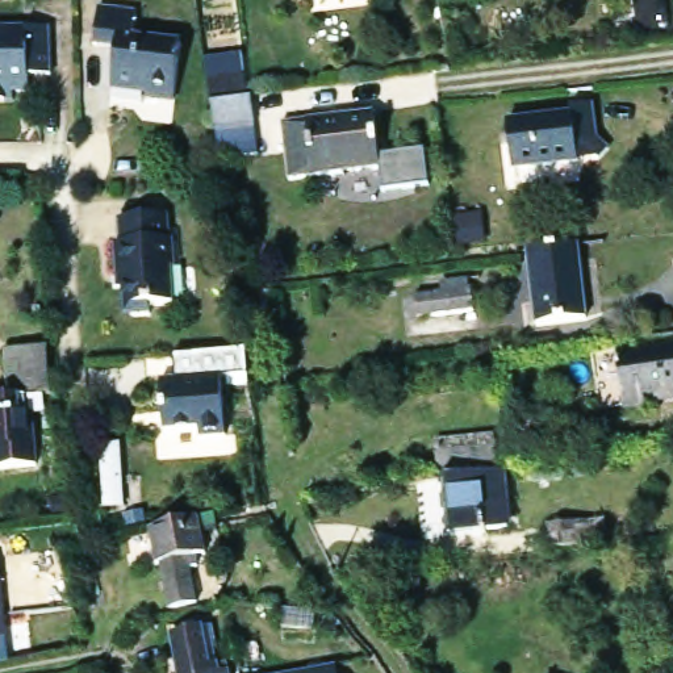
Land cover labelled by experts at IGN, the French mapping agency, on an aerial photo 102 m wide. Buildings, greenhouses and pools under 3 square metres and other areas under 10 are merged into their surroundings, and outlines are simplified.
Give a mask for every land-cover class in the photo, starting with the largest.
<instances>
[{"label":"herbaceous vegetation","instance_id":"1","mask_svg":"<svg viewBox=\"0 0 673 673\"><path fill-rule=\"evenodd\" d=\"M53 0H0V11L45 13ZM208 0H145V16L187 21L192 26L184 81L174 92V97L171 124L142 121L129 108L110 110L108 176L142 174L134 155L142 142L158 137L166 139L181 158L184 179L205 181V168L210 166L247 171V179H252L268 200L266 239L258 250L276 252L287 266H294L297 239L318 242L329 239L334 231L342 229L355 237V244L363 255H371V244L397 239L405 226L423 223L439 197L444 200L447 210L457 208V200L489 208V237L473 244L471 250V255H489L494 250H515L518 244L513 239L515 226L510 221L507 208L515 189L505 184L499 155V139L507 134L505 126H499L494 118L468 124L455 137V142L465 150L463 176H450L444 163L434 166L426 176V187H418L410 195L392 197L384 202L339 200L323 192V200L318 205H294L292 189L305 179L302 174L287 171V160L281 152L268 155L266 147L260 152L244 155L237 145L216 137L210 110L213 97L208 95L202 63V50L208 45ZM242 26L239 45L244 47L250 60V81L268 76L305 79L308 68L318 63L329 66L334 60L337 42L350 34L352 26L360 24L363 8L315 13L313 0H237ZM476 13L486 26H502L507 21L521 18L523 11L515 0H481L476 5ZM634 5L631 0H586L584 16L576 21L578 32L592 29L605 16L615 18L628 16V8ZM384 21L392 26V32L400 39H413L415 32L410 18L402 11H386ZM342 84H352L355 89L360 84L379 87L381 79L373 71L347 68L339 74ZM660 89L634 92L628 100L602 97V121L605 129L613 134V142L605 147L607 155L597 163L584 166L578 179L568 181V189L581 200V208L594 216L589 231V276L594 297L592 308L613 310V302L618 297L657 281L673 260V223H668V218L662 216V205L657 200L641 208H620L618 202H610L605 197V181L623 163L628 150L636 147L639 137L657 134L662 129L673 131V100L660 105ZM47 126H32L24 118L21 105L13 100L0 103V145L45 142ZM418 116L426 121L429 134L439 131L436 108L431 103L394 108L392 121L376 131V147L389 150L421 145L415 139L410 121ZM176 208V223L181 229V250L187 266L195 268L197 284L192 292H181L176 297L192 310V323L184 339L166 337L160 331L158 315L131 318L129 310L121 308L118 289L103 281L97 247L79 244V292L74 294V300L79 302V318L74 326L81 337L76 350L66 352L60 347L50 344L42 334H32L37 323H29L26 313H18L16 308V294L24 289V284L34 281V268L29 247H21L18 273L11 268V244L18 237H26L32 223L42 216V213L32 202H24L18 208H8L5 213H0V350L13 344H45L47 373H68L76 381L81 365L113 371L129 365L131 360L163 358L176 350L229 344L221 337L223 313L218 310V294L223 287H229L247 305L260 310L273 326V331L287 339V358L292 363L302 360V368H339L352 355L376 350L386 339L423 344L426 350L455 347L452 339H447V334L407 337V329L402 305L410 297L423 300L415 289L421 281H413L410 276L397 279L392 284V292L381 300L379 310L352 308L344 297H334L329 313H321V308L313 305L310 294L302 289H294L289 297L273 300L266 294L263 287L250 284L244 276L231 273L229 279H223L218 273V244L213 239L210 223L205 218H195L187 192L174 189L168 197ZM499 329L523 326L518 308L513 313L502 310L499 321H486L484 315H478L476 329L471 331L489 334ZM673 360V337L644 339L639 344H623L618 350V365ZM552 376L563 379L570 386V392L578 386L584 392H597L594 379L581 384L573 373V365H549ZM486 392L455 386H442L431 394H410L389 415L373 410L371 397H352L344 402L337 400L323 405L313 402L308 413V439H300L294 434V413H287L279 397L271 394L268 400H263L268 492L273 486L279 489V510L255 515L268 521L271 531L292 555V565L284 568L279 563L276 549L268 544V539L244 542V534L239 531H229L221 536L218 549L229 552V557L237 560V568L226 576H216L221 586L244 584L250 589H284L287 584H294L302 570L318 584L321 597L326 602L342 607L350 602V597L331 581V573L342 565H358L360 542H337L331 547H323L315 534V523H344L373 531V526L381 521H421V499L415 484L405 497L376 492L352 507H344L329 489H342L347 484V476L358 468L386 471L392 465V455L402 450H407L410 457L423 463H431L434 457L429 447L439 434L455 436L481 431V426H494L499 421V410L486 405ZM37 471L0 468V489L11 492L16 502H29L39 515H53L60 510L63 505L55 494V486L66 478V473L55 457L53 436L42 442V455L37 460ZM208 457L160 460L155 439L129 444L121 450V473L139 478L142 518L137 523L142 534H145L168 513L181 521H189L197 507L187 502V497L168 499V494L176 473L181 476L197 471ZM505 468L513 473L518 484V513L513 518H505L502 523L507 534H521L523 528L536 531L549 513H557L560 521H581L599 515L602 523L597 526V534L610 542L615 536V523L628 515V502L639 492L644 478L655 471L668 473V505L657 518V528L662 536L652 539L655 549L665 552V576H655L649 581L655 584L660 607L665 610L668 644H673V457L668 450H662L655 460L644 457L639 463H631L628 473L602 468L599 473L573 471L544 476L536 473L521 457H507ZM55 531L50 526H21L13 536L24 539L29 552L53 549L50 539ZM139 602H155L166 610L158 615V623L139 634L134 647L113 652V631L121 626L124 615ZM171 599L163 592L160 568L152 565V560L145 552L134 563L126 555L100 573V589L92 605L95 631L89 647L66 649V636L74 628L71 610L53 615H32L29 647L18 649L16 657L0 660V673H126L129 668H134L137 657H145V647L166 644L171 626L184 615L181 607H168ZM510 576L505 573L494 581V589L489 594H481L473 586V581L465 578L444 581L429 584L421 576L415 584L400 589L397 599L413 607H423L426 602H447L465 605L471 610V626H465L457 636L436 647L439 660L450 662L455 673H628L618 641L599 649L597 657L581 655L578 660H570V644L576 639H565L560 626L547 620V589L531 586L521 599H507ZM195 613H205L202 620L213 623L218 639V631L226 628V615L231 610L239 618V623L260 634V660L263 665H281L284 660L329 655L334 660L337 673H415L405 660V652L386 649L384 644L373 641V657H358V644L350 636L334 634L331 641L326 636L318 639L313 626L305 631H292L281 626L271 628L266 605H252L237 597L218 594L192 607Z\"/></svg>","mask_w":673,"mask_h":673},{"label":"brushwood","instance_id":"2","mask_svg":"<svg viewBox=\"0 0 673 673\"><path fill-rule=\"evenodd\" d=\"M74 60V126L68 134L74 145H84L92 134V121L84 105V84H92L87 71L89 55H84L81 50V34L84 0H68ZM481 0H368V8H363L360 24L352 26L350 34L337 42L334 60L329 66L318 63L308 68L305 79L268 76L250 81L252 92L284 97L287 89L313 84H342L339 74L347 68L373 71L381 79L431 71L436 66H450L455 71H465L476 63L489 60H526L528 66H534L563 55L568 60H589L673 47V34H634L628 21L615 24V18L605 16L592 29L578 32L576 21L584 16L586 0H515L523 11L521 18L507 21L502 26H486L476 13V5ZM386 11H402L410 18L415 32L413 39H400L392 32V26L384 21ZM660 89V105L673 100V68L597 76L592 81V92L602 97L628 100L634 92ZM570 95L565 81H547L436 95V100L431 103L436 108L439 131L429 134L426 121L418 116L410 121L415 139L421 145L426 158V176L434 166L444 163L450 176H463L465 150L455 142V137L468 124L494 118L499 126H505V118L518 103L557 100ZM13 100L21 105L24 118L32 126H50V103L37 89L26 87ZM58 192L53 189V184L42 179V174H37L34 168H26L24 163L0 160V213H5L8 208H18L24 202H32L42 213L45 205L55 202ZM155 192L142 174L108 176L100 179L92 168H81L71 181V195L81 202H89L100 195L118 197L124 202L129 197ZM323 200V192H318L315 181L310 179H305L292 189L294 205H318ZM526 244H518L515 250H494L489 255H471V250L455 244L452 229L447 223V210L444 200L439 197L423 223L405 226L397 239L371 244V255H363L355 244V237L342 229L334 231L329 239L318 242L297 239L294 266H287L276 252L258 250L247 255L244 276L250 284L263 287L266 294L273 300L289 297L294 289H302L310 294L313 305L321 308V313H329L334 297H344L352 308L379 310L381 300L392 292V284L397 279L410 276L413 281H434L444 273H463L471 287V308L478 315H484L486 321H499L502 310L513 313L518 308L521 260ZM21 247H29L34 268V281L24 284V289L16 294V308L18 313H26L29 323H37L32 334H42L50 344L60 347V337L68 331L66 318L60 313H39V300L58 297L60 268V250L55 247V234L42 216L32 223L26 237H18L11 244V268L18 273ZM158 315L160 331L166 337L184 339L192 323V310L176 297L168 305H163ZM620 329L613 331L607 339H584L578 329L563 331L557 326H523L499 329L489 334L471 331L447 334V339H452L455 347L426 350L423 344L386 339L376 350L352 355L339 368H302V360L292 363L287 358L284 384L289 386L292 402L284 407L287 413H294V434L300 439H308V413L313 402L323 405L337 400L344 402L352 397H371L373 410L389 415L410 394H431L442 386H455L486 392V405L499 410V402L510 389L528 407V415L552 407L555 413L576 415L584 423L613 431L618 439L647 436L660 431L665 434L662 450H668L673 457V402L655 397L652 402L641 400V405L620 407L615 402L602 400V394L597 392H584L578 386L570 392V386L563 379L552 376L549 365H573L589 363V358L597 350H618L623 344H639L644 339L673 337V310L623 313ZM155 394H160V381L155 376L142 379L126 394H121L110 379L92 376L84 386L76 381L68 373H47V389L42 392L45 400L66 397L74 405H89V400L95 397L108 410H118L124 421L113 426V442H118L121 450L129 444L155 439L158 431L145 423H134V413H160V400H155ZM239 402L234 405V421L226 431L234 434L237 452L208 457L197 471L181 476L176 473L168 494V499L187 497V502L197 507H208L216 513V531L221 536L229 531H239L244 534V542L268 539V544L276 549L279 563L284 568L292 565V555L271 531L268 521L255 515L244 526H231L229 515L239 513L244 505L268 502V492L263 400H268L271 394L273 389L268 381H247L237 386ZM447 471V463H436L434 457L431 463H423L410 457L407 450H402L392 455V465L386 471L358 468L347 476V484L342 489H329L344 507H352L376 492L405 497L415 484L421 478H439ZM668 473L655 471L644 478L639 492L628 502V515L615 523V536L610 542L597 534L573 542L570 547H560L555 544L547 528L549 521H560L557 513H549L536 531L534 536H526L531 552L515 549L494 555L473 549L471 542H463L455 549V565L444 581L465 578L473 581V586L481 594H489L494 589V581L505 573L510 576L507 599H521L531 586L547 589L568 573L584 570H602L605 581L618 592L647 589L649 581L655 576H665V552L655 549L652 539L662 536L657 528V518L668 505ZM21 526H50L55 531H71L76 526L60 510L53 515H39L29 502H16L11 492L0 489V539L13 536ZM208 570L216 576H226L237 568V560L229 557V552L218 549H205ZM218 594L237 597L252 605H266L271 628L281 626L284 607L310 610L313 626L318 639L326 636L331 641L334 634L350 636L358 644V657H373V641L355 623L358 615L350 602L342 607L326 602L321 597L318 584L302 570L294 584H287L284 589H250L244 584L221 586ZM166 610L155 602H139L124 615L121 626L113 631V652L134 647L139 634L158 623V615ZM218 649L226 660L242 662L247 655L252 660H260V634L239 623V618L231 610L226 615V628L218 631ZM166 644L145 647V657H137L134 668H129L126 673H166Z\"/></svg>","mask_w":673,"mask_h":673},{"label":"building","instance_id":"3","mask_svg":"<svg viewBox=\"0 0 673 673\"><path fill-rule=\"evenodd\" d=\"M145 0H84L81 34L97 32V39L110 42L113 87L139 89L147 97H174V92L184 81L192 26L187 21L145 16ZM634 5L628 8V16L615 18V24L628 21L634 34H673V0H631ZM58 66L55 18L45 13L0 11V103L13 100L26 87V76H50V68ZM202 63L208 95L213 97L210 110L216 137L237 145L244 155L260 152L266 147L260 126L252 124V105L247 95L252 92L250 81V60L244 47L239 45H208L202 50ZM394 108L392 103L381 100L379 87L360 84L355 89L352 103L287 113L281 152L287 160V171L302 174L305 179H310L329 176V168L339 166H350V174H371L373 184L379 187L394 181H413L415 187L426 179V158L421 145L389 150L376 147V131L392 121ZM507 134L513 163H536L539 158H568L576 152L584 155L605 147L613 142V134L605 129L602 121V97L592 92L570 95L557 100L518 103L505 118V126ZM187 266L181 250V229L176 223V208L168 197L155 192L129 197L124 202V210L118 216V234L113 239V271L121 281L118 289L121 308L129 310L131 297L139 289H150L155 294L168 297L174 289L171 268ZM447 223L452 229L455 244L471 250L473 244L489 237V208L457 200V208L447 210ZM521 260H528L531 266V302L536 315H547L555 308L570 313H586L592 308L594 297L589 276V231L560 237L547 234L544 239H534L526 244ZM415 289L423 300L410 297L402 305L407 329L413 323H426L434 310L471 308V287L463 273H444L434 281H421ZM47 389V373L45 344H13L0 350V455L37 460L42 455V415L32 407L29 392H42ZM620 397L615 402L620 407L641 405V400L652 402L655 397L673 402V360L618 365ZM160 381V394H155V400H160V413L168 423H197L205 434L226 431L234 421V405L239 402L237 386L221 371L155 376ZM103 505L116 507L126 523H137L142 518L139 478L121 473V450L118 442H113L105 447L100 460ZM442 510L450 526L460 528L476 523H502L505 518H513L518 513V484L513 473L505 468L492 460L450 457L447 463V471L439 478ZM150 539V549L145 552L152 560V565L160 568L163 592L171 599L200 594V573L208 570L205 549H218L221 536L216 531V513L208 507H197L189 521H181L168 513L145 534ZM602 523L599 515L581 521H549L547 528L555 544L560 547H570L573 542L597 534V526ZM8 581L0 552V660L16 657L18 649L13 647L11 636ZM184 615L171 626L166 644V673H337L334 660L329 655L284 660L281 665H263L260 660H252L247 655L242 662L226 660L218 649V639L213 623L202 620L205 613H195L192 607H181Z\"/></svg>","mask_w":673,"mask_h":673},{"label":"deciduous trees","instance_id":"4","mask_svg":"<svg viewBox=\"0 0 673 673\"><path fill-rule=\"evenodd\" d=\"M605 197L610 202H618L620 208H641L657 200L662 205V216L668 218V223H673V131L662 129L657 134L639 137L636 147L628 150L623 163L605 181ZM142 174L155 192L168 197L174 189L187 192L195 218H205L210 223L213 239L218 244V273L223 279H229L231 273L244 276L247 255L258 250L266 239L268 200L252 179H247V171L210 166L205 168V181L184 179L181 158L166 139L158 137L142 142L134 155ZM507 208L510 221L515 226L513 239L518 244H526L534 239H544L547 234L560 237L589 231L594 216L581 208V200L568 189L547 187L544 179L536 174L515 189ZM218 310L223 313L221 337L229 344L244 347L247 381H268L273 389L271 394L279 397L284 407L292 402L289 386L284 384L287 358V339L273 331V326L260 310L247 305L229 287H223L218 294ZM481 431L492 434L494 439L492 460L505 468L507 457H521L536 473L544 476L573 471L599 473L602 468L628 473L631 463H639L644 457L655 460L662 450L665 434L660 431L647 436L618 439L613 431L584 423L576 415L555 413L552 407L528 415V407L510 389L499 402V421L494 426H481ZM45 405L58 407V413H53L45 421L47 426H53V436L55 457L66 473V478L55 486V494L63 505L60 510L76 526L71 531H55L50 539L53 549L60 557L66 581L63 594L68 597L71 610L74 628L66 636V649L89 647L95 631L92 605L100 589V573L126 555L129 539L142 534L137 523H126L116 507L103 505L100 460L105 447L113 442V426L124 421L118 410H108L95 397L89 400V405H74L66 397L45 400ZM455 565V549H376L371 542H360L358 565H342L331 573V581L350 597V602L358 615L355 623L373 641L384 644L386 649L405 652V660L415 673H455L450 662L439 660L436 647L457 636L465 626H471V610L465 605L447 602H426L423 607H413L397 599L400 589L415 584L421 576L429 584L444 581ZM547 620L560 626L565 639H576L570 644V660H578L581 655L597 657L599 649L618 641L628 673H673V644H668L665 610L660 607L655 584L649 581L647 589L618 592L605 581L602 570H584L568 573L547 589Z\"/></svg>","mask_w":673,"mask_h":673},{"label":"impervious surface","instance_id":"5","mask_svg":"<svg viewBox=\"0 0 673 673\"><path fill-rule=\"evenodd\" d=\"M208 45H239L242 26L237 0H208ZM363 8H368V0H313L315 13ZM81 50L84 55H89L87 71L92 84H84V105L92 121V134L84 145H74L68 134L58 126H47L45 142L0 145V160L24 163L26 168H34L37 174H42V179L53 184V189L58 192L55 202L45 205L42 213V216L55 234V247L60 250V268L58 297L39 300V313H60L66 318L68 331L60 337V347L66 352L76 350L81 337L74 326L79 318V302L74 300V294L79 292V244L97 247L103 281L118 289L121 281L113 271V239L118 234V216L124 210V202L118 197L100 195L89 202H81L71 195V181L81 168H92L100 179L108 176L110 110L129 108L142 121L171 124L174 97H147L139 89L113 87L110 42L97 39V32L81 34ZM381 100L392 103L394 108L431 103L436 100V79L431 71L381 79L379 87ZM355 89L352 84H313L287 89L284 97L252 92L247 95L252 105V124L260 126L266 147L268 155L281 152L287 113L352 103ZM499 155L505 184L515 189L536 174L544 179L547 187L568 189V181L578 179L584 166L597 163L607 155L605 147L584 155L576 152L568 158H539L536 163H513L507 134L499 139ZM310 179L315 181L318 192H323L339 200L384 202L392 197L410 195L418 187H426V179L415 187L413 181H394L379 187L373 184L371 174H350V166H339L329 168V176ZM518 308L523 326H557L563 331L578 329L584 339H607L613 331L620 329L623 313L673 310V260L657 281L618 297L613 302V310L592 308L586 313H570L555 308L547 315H536L531 302V266L528 260H521ZM174 289L168 297L155 294L150 289H139L131 297L129 310L131 318L158 315L163 305H168L181 292H192L197 284L195 268L187 266L171 268ZM478 315L471 308L434 310L426 323H413L407 329V337L447 334L471 331L476 329ZM221 371L237 386L247 381L244 347L229 344L176 350L163 358L131 360L129 365L113 371L81 365L76 381L84 386L92 376L110 379L121 394H126L142 379L155 376ZM589 363L594 379L597 392L602 394V400L615 402L620 397L618 365V350H597L589 358ZM32 407L42 415V442L53 436V426H47L45 421L53 413H58V407L45 405V400L42 392H29ZM134 423H145L158 431L155 439L160 460L208 457L237 452L234 434L226 431L205 434L197 423H168L160 413H134ZM434 457L436 463H447L450 457L492 460L494 439L492 434L481 431L455 436L439 434L429 447ZM0 468L37 471V460L0 455ZM421 499V521H381L373 526V531L344 523H315V534L323 547H331L337 542H371L376 549H455L463 542H471L473 549L494 555L515 549L531 552L526 536H534L536 531L523 528L521 534H507L502 523H476L460 528L450 526L442 510L439 478H421L415 484ZM279 489L273 486L268 492V502L244 505L239 513L229 515L231 526H244L255 515L279 510ZM150 549V539L145 534H142L129 539L126 555L134 563L145 552ZM0 552L8 581L11 636L13 647L18 649L29 647L32 615H53L71 610L68 597L63 594L66 581L60 557L53 549L29 552L24 539L13 536L0 539ZM200 594L171 599L168 607H192L218 594L221 586L216 576L208 570L200 573ZM281 626L292 631H305L313 626L310 610L284 607Z\"/></svg>","mask_w":673,"mask_h":673},{"label":"pervious surface","instance_id":"6","mask_svg":"<svg viewBox=\"0 0 673 673\"><path fill-rule=\"evenodd\" d=\"M55 18L58 66L50 68V76H26V87L37 89L50 103V126H58L68 134L74 126V60L68 0H53L45 13ZM673 68V47L589 60H568L563 55L534 66H528L526 60H489L476 63L465 71H455L450 66H436L431 71L436 79V95L547 81H565L570 95L592 92V81L597 76Z\"/></svg>","mask_w":673,"mask_h":673},{"label":"swimming pool","instance_id":"7","mask_svg":"<svg viewBox=\"0 0 673 673\"><path fill-rule=\"evenodd\" d=\"M573 373L581 384L594 379L589 363L573 365Z\"/></svg>","mask_w":673,"mask_h":673}]
</instances>
